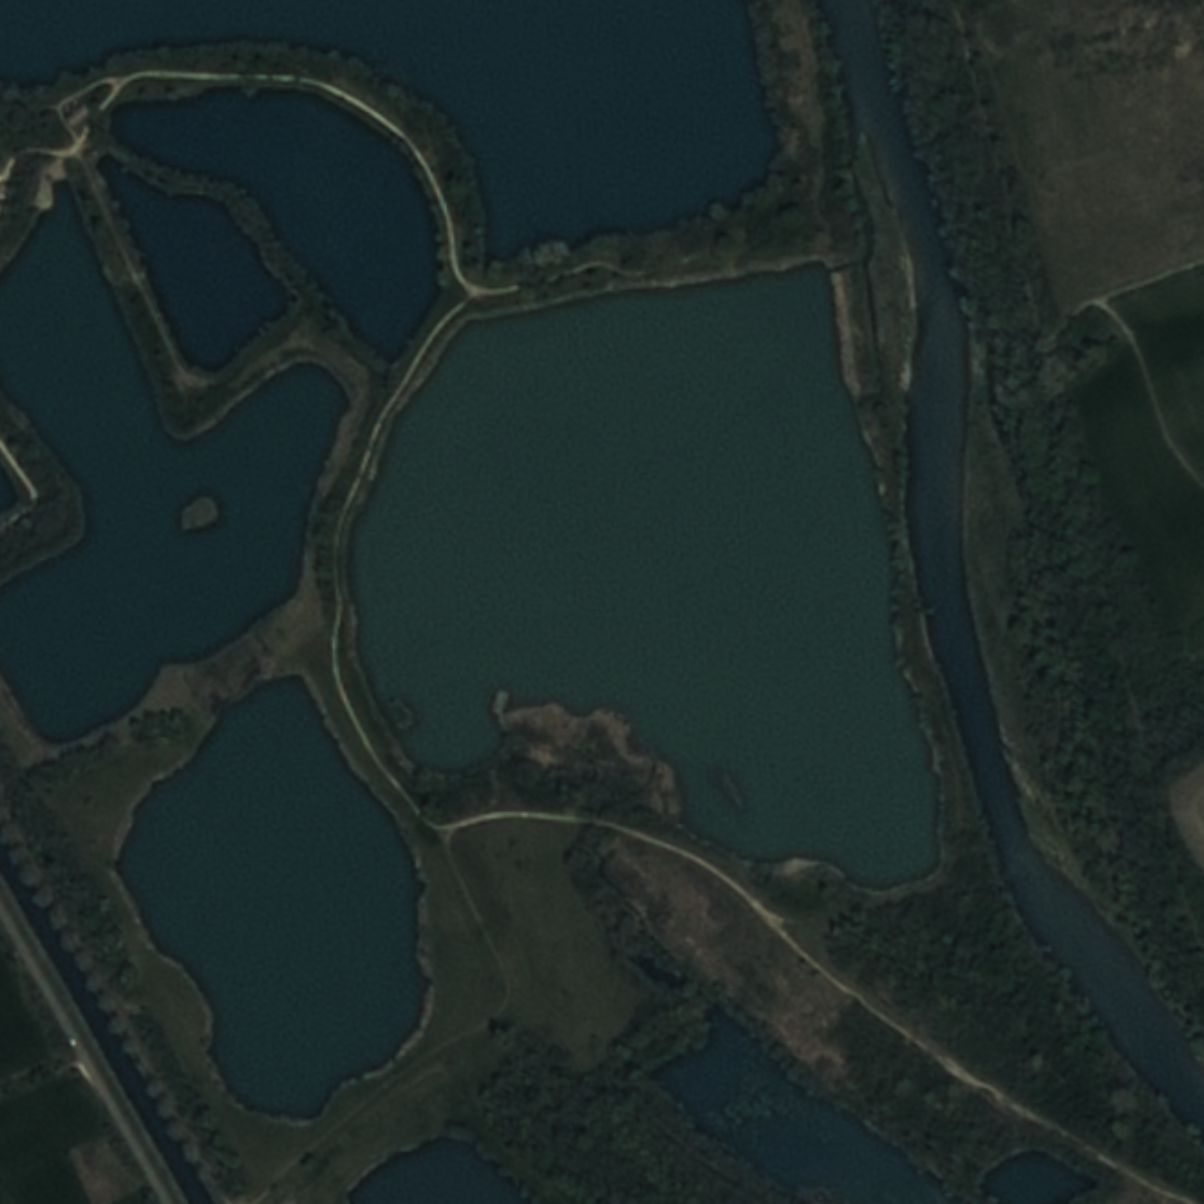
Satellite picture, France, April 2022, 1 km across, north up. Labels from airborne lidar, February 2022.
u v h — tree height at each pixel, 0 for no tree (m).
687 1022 11
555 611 0
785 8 0
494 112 0
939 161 26
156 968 0
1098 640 7
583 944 0
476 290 0
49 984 0
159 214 0
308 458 0
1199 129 0
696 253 0
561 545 0
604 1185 16
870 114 0
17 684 0
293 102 0
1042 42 0
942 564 0
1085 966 0
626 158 0
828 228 0
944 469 0
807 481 0
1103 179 0
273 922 0
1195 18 0
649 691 0
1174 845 9
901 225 0
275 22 0
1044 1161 0
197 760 0
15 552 12
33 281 0
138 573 0
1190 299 0
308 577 0
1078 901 0
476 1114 0
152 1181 0
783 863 0
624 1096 16
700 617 0
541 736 0
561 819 0
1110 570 9
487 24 0
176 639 0
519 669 0
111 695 0
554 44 0
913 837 0
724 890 0
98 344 0
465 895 0
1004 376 20
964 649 0
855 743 0
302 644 0
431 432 0
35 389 0
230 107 0
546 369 0
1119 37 0
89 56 0
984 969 8
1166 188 0
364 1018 0
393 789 0
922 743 0
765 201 18
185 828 0
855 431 0
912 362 0
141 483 0
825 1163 0
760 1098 0
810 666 0
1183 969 22
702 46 0
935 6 25
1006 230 23
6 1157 0
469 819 0
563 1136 9
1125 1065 6
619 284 9
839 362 0
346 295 0
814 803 0
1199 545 0
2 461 0
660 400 0
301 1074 0
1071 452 18
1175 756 20
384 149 0
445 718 0
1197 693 9
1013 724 0
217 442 0
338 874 0
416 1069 0
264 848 0
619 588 0
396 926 0
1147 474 0
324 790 0
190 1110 8
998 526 0
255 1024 0
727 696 0
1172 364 0
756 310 0
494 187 0
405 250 0
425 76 0
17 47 0
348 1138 0
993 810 0
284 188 0
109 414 0
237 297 0
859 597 0
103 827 0
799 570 0
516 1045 18
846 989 0
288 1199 0
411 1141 0
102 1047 0
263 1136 0
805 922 0
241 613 0
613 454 0
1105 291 0
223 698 0
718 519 0
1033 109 0
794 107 0
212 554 0
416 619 0
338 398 0
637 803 11
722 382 0
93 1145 0
